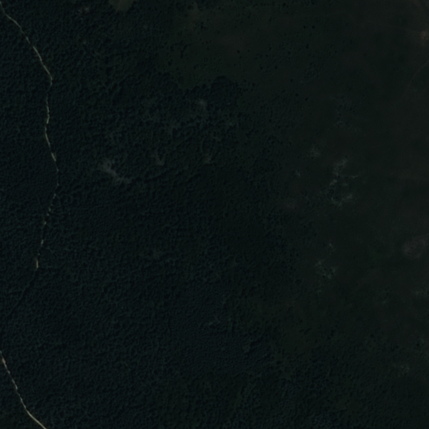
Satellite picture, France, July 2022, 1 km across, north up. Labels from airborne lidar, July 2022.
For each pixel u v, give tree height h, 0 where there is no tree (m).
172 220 17
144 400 18
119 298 17
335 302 0
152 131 14
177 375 21
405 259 0
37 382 20
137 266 16
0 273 23
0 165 19
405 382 0
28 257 20
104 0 8
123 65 19
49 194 20
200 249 10
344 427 15
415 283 0
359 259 0
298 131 0
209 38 0
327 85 0
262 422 16
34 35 21
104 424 8
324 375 11
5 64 19
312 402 18
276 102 5
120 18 12
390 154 0
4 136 17
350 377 7
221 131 11
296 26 0
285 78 0
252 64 0
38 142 20
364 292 0
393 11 0
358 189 0
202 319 19
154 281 21
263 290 9
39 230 23
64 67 15
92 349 23
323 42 0
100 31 13
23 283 25
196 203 13
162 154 19
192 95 11
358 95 0
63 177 20
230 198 12
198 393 14
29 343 20
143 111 12
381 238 0
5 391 21
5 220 22
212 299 17
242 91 7
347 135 0
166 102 11
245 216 12
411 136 0
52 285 20
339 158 0
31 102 21
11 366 22
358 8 0
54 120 9
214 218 10
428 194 0
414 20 0
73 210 17
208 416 10
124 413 19
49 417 19
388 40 0
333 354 6
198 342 18
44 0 15
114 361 15
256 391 11
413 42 0
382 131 0
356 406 0
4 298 16
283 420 19
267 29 0
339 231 0
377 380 6
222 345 20
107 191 17
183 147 14
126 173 8
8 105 25
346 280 0
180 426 11
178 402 8
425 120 0
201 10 7
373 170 0
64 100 15
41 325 20
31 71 14
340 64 0
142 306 20
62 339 22
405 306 0
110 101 9
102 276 16
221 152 11
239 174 10
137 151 13
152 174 18
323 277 8
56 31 22
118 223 20
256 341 6
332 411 6
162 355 17
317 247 0
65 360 21
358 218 0
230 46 0
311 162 0
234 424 13
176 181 17
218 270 14
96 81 14
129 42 12
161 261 10
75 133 15
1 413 14
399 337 0
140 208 19
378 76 0
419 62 0
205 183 19
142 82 16
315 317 0
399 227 0
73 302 21
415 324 0
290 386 19
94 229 19
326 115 0
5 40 22
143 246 19
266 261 8
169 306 18
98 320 16
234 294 13
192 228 12
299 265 0
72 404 20
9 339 22
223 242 14
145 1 8
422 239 0
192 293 16
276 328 6
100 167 5
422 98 0
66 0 8
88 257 11
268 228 8
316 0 6
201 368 19
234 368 15
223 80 10
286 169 0
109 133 6
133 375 19
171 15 9
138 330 17
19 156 20
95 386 17
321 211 0
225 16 0
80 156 17
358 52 0
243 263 10
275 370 8
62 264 15
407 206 0
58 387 24
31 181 21
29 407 21
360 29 0
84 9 19
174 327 18
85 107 7
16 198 16
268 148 5
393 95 0
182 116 12
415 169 0
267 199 11
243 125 8
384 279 0
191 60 0
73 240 19
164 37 8
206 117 6
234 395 16
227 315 10
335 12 0
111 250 17
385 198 0
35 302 17
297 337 0
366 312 0
